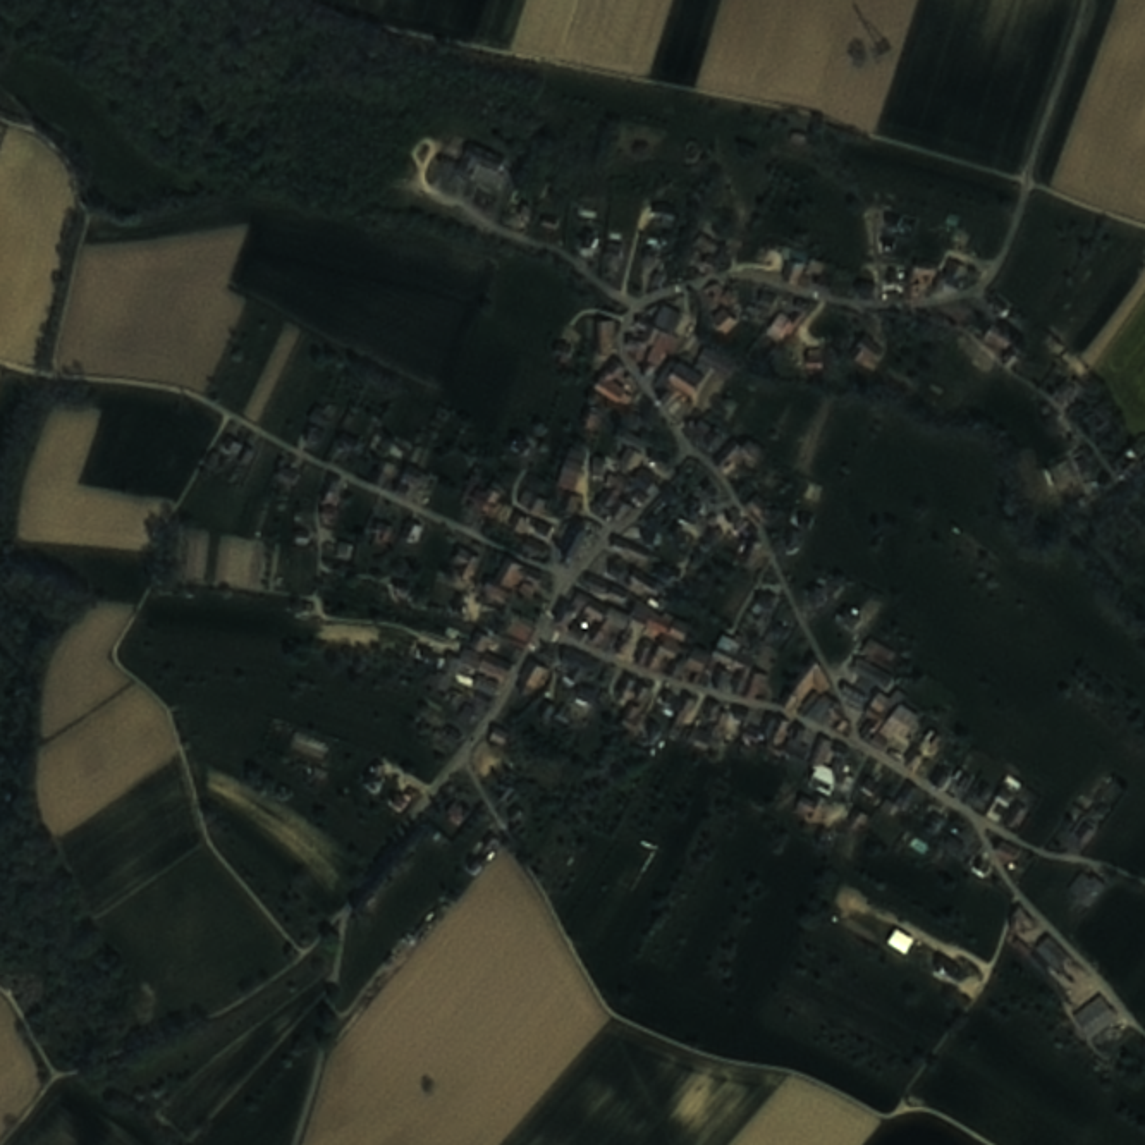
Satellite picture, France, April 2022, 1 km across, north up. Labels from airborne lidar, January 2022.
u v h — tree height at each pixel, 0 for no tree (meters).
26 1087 0
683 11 0
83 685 0
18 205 0
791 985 0
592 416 0
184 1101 0
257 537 0
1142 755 0
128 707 0
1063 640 0
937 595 0
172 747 0
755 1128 0
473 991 0
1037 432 0
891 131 0
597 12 0
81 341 0
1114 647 0
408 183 0
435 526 0
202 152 22
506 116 15
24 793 26
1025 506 20
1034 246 0
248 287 0
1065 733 0
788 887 0
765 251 0
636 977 0
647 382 0
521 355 0
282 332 0
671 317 0
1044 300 0
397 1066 0
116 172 0
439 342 0
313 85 22
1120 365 0
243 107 33
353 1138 0
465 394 0
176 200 18
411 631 0
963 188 0
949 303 0
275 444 0
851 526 0
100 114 0
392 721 0
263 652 0
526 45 0
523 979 0
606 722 6
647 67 0
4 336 0
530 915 0
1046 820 0
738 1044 0
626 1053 0
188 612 0
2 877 29
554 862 0
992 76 0
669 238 14
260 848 0
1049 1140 0
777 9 0
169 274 0
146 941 0
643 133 0
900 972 0
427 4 0
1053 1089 0
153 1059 17
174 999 0
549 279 0
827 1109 0
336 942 17
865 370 0
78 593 29
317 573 0
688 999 0
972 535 0
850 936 0
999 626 0
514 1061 0
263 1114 0
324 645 8
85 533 0
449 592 0
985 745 0
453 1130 0
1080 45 0
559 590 0
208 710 0
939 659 0
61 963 18
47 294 0
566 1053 0
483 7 0
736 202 0
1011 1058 0
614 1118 0
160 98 29
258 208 0
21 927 25
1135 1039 0
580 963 0
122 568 0
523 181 12
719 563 9
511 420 0
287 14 25
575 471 0
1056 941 0
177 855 0
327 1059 0
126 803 0
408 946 0
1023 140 0
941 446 0
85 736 0
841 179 18
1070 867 0
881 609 0
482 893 0
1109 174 0
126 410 0
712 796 0
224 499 0
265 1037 0
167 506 0
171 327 0
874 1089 0
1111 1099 0
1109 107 0
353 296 0
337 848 0
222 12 30
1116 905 0
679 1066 0
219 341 0
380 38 25
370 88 27
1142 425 0
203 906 0
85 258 0
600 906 0
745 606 0
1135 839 0
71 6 13
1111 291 0
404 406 0
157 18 27
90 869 0
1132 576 26
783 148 0
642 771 11
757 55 0
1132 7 0
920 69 0
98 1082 17
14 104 0
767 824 7
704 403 0
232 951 0
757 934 0
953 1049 0
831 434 0
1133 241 0
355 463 7
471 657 0
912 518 0
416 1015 0
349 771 0
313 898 0
